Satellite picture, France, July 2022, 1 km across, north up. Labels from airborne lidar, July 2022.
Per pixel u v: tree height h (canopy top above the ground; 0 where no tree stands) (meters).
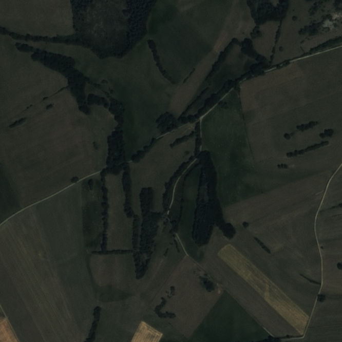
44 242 0
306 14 0
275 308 0
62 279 0
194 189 0
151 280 0
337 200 0
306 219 0
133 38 25
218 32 0
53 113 0
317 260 0
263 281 0
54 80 0
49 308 0
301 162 0
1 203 0
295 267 0
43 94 0
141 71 0
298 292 0
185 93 0
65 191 0
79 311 0
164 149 0
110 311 0
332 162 0
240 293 0
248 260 0
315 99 0
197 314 0
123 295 0
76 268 0
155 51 15
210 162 18
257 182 0
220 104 16
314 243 0
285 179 0
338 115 0
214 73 7
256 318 0
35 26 0
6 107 0
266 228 0
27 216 0
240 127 0
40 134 0
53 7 0
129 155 0
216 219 14
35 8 0
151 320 0
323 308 0
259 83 0
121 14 0
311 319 0
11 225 0
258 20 18
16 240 0
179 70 0
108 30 0
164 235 0
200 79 0
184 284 0
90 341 12
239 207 0
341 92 0
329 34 0
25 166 0
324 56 0
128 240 0
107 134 0
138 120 0
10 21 0
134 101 0
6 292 0
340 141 0
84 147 0
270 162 0
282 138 0
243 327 0
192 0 0
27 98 0
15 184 0
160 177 0
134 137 0
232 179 0
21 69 0
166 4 0
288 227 0
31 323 0
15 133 0
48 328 0
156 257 0
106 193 11
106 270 0
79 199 0
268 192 0
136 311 0
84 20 18
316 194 0
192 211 0
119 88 0
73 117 0
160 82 0
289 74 0
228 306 0
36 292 0
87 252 0
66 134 0
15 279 0
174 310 0
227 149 0
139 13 23
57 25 0
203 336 0
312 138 0
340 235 0
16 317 0
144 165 0
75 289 0
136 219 9
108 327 0
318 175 0
